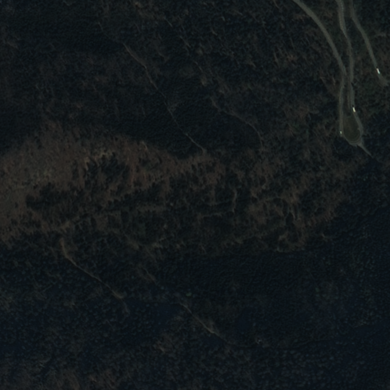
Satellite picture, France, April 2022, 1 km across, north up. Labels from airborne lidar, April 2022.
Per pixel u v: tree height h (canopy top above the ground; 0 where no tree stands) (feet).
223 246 44
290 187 63
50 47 84
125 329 25
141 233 64
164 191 58
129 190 37
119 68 75
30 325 50
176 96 70
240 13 90
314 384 83
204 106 69
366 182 98
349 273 65
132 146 49
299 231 56
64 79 48
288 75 79
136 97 62
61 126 55
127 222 71
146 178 40
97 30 71
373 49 32
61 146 52
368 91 41
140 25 85
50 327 61
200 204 28
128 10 58
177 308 45
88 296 119
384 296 79
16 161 79
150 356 82
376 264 94
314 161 75
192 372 50
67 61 71
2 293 90
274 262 61
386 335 77
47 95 64
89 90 72
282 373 129
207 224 60
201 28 84
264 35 115
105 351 50
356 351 79
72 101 64
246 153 36
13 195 56
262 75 93
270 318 67
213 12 107
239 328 55
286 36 60
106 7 70
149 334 55
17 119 41
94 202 37
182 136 71
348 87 64
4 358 39
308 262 77
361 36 70
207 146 25
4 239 46
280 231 72
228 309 64
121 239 73
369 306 71
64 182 41
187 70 68
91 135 66
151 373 98
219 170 46
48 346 89
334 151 43
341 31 26
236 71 110
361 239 83
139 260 74
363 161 50
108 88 73
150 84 40
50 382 68
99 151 64
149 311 86
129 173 73
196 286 51
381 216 87
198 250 68
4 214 32
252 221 41
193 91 47
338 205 37
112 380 117
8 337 72
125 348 87
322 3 33
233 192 68
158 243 62
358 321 34
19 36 58
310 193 72
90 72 56
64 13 73
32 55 62
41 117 66
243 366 84
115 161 86
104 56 73
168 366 90
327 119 59
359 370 61
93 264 84
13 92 66
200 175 44
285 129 106
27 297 84
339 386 41
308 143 32
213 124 56
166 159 47
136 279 53
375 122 82
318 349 31
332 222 40
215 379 27
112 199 32
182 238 59
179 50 57
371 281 74
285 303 85
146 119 68
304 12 26
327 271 59
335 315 70
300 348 62
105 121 70
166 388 69
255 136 57
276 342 59
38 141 89
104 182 45
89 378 118
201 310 67
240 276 70
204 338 22
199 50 79
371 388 62
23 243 47
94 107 65
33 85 46
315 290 68
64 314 77
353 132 0
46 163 99
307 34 95
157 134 66
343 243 82
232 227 56
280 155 106
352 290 45
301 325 68
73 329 100
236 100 80
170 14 113
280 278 64
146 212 59
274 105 59
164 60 77
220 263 62
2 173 84
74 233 69
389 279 82
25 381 80
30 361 56
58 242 49
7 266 73
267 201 43
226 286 64
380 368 62
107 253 96
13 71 66
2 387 79
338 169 27
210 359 66
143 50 88
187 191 36
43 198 40
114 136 48
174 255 71
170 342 103
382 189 106
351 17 73
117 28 81
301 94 87
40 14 72
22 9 48
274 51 63
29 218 38
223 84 114
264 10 112
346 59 58
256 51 79
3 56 60
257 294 81
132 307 87
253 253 66
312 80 113
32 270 42
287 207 62
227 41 100
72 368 76
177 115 78
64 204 39
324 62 118
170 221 72
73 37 61
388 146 84
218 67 96
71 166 51
